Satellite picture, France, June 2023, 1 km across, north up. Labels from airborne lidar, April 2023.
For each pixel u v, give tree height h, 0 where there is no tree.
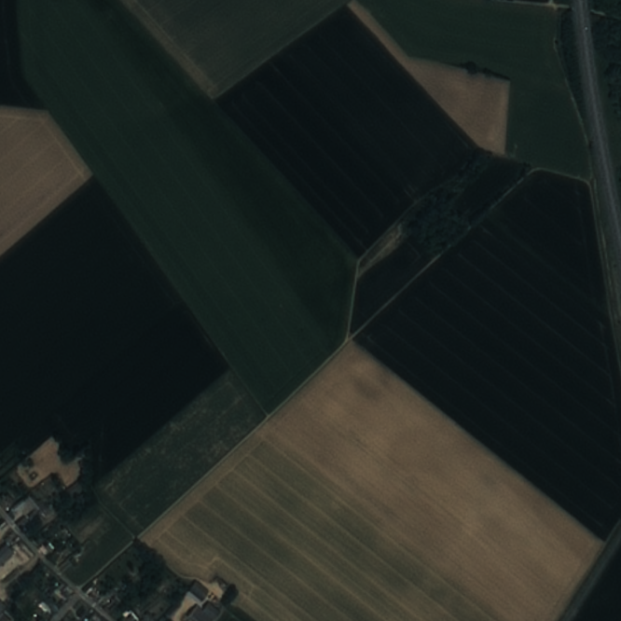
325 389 0
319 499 0
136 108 0
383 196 0
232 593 15
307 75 0
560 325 0
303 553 0
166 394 0
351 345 0
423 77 0
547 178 0
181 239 0
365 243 0
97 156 0
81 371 0
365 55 0
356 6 0
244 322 0
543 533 0
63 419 0
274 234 0
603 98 0
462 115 0
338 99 0
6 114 0
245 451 0
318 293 0
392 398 0
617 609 0
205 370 0
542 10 0
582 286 0
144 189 0
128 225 0
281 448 0
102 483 0
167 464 0
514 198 0
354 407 0
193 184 0
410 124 0
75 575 0
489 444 0
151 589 6
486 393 0
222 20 0
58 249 0
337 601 0
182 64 0
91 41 0
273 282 0
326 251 0
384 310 0
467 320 0
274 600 0
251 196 0
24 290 0
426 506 0
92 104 0
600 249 0
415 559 0
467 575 0
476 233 0
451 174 0
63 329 0
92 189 0
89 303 0
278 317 0
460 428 0
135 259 0
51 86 0
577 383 0
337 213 0
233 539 0
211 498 0
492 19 0
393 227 0
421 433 0
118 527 0
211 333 0
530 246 0
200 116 0
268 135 0
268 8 0
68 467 0
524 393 0
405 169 0
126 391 0
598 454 0
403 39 0
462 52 0
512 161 0
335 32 0
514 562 0
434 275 0
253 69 0
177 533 0
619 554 0
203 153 0
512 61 0
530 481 0
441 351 0
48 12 0
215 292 0
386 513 0
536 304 0
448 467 0
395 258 0
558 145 0
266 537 0
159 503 0
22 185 0
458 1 0
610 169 0
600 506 0
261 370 0
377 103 0
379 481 0
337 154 0
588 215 0
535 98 0
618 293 0
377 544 0
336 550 0
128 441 0
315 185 0
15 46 0
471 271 0
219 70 0
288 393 0
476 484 0
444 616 0
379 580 0
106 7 0
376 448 0
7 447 0
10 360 0
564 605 0
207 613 0
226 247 0
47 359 0
